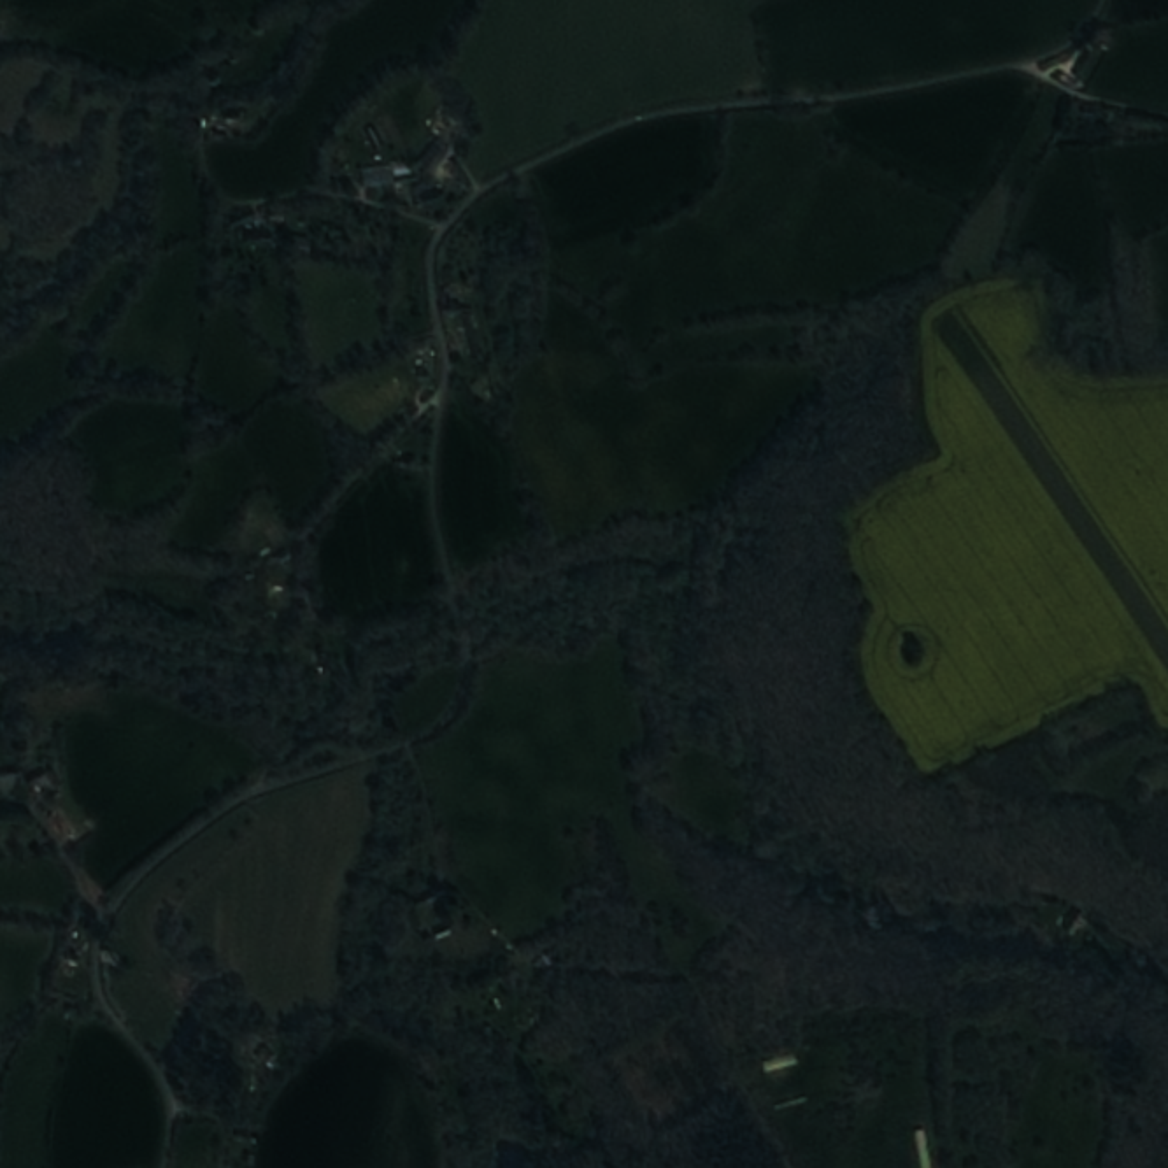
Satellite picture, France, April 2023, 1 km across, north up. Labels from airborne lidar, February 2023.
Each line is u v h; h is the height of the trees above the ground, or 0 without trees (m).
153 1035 0
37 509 20
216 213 17
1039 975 31
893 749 7
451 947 0
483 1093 14
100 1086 0
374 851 19
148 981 0
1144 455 0
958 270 0
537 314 11
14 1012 0
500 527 0
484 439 0
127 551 22
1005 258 10
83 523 16
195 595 0
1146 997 24
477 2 10
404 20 0
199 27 17
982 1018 19
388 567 0
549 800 0
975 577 0
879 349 21
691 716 7
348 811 0
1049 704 0
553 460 0
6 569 20
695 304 0
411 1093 0
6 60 12
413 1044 23
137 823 0
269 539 0
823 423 21
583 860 0
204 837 0
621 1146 23
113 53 0
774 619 19
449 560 0
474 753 0
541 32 0
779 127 0
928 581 0
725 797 0
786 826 23
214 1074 19
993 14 0
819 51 0
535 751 0
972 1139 7
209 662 24
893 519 0
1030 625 0
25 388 0
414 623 20
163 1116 0
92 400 10
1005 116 0
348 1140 0
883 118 0
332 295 0
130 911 0
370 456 16
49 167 19
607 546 17
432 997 21
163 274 0
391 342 13
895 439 19
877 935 24
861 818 14
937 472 0
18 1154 0
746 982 8
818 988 19
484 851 0
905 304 9
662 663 11
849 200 0
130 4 0
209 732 0
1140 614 0
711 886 21
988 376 0
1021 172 0
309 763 10
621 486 0
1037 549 0
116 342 0
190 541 0
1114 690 9
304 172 0
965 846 16
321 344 0
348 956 10
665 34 0
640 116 0
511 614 9
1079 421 0
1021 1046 11
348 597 0
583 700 0
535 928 0
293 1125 0
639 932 13
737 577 20
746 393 0
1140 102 0
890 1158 0
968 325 0
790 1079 0
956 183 0
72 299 12
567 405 0
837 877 26
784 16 0
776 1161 18
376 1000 23
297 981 0
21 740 15
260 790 0
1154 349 22
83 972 0
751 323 13
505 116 0
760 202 0
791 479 21
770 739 21
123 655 13
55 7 0
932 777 9
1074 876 19
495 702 0
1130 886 13
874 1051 0
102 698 0
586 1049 13
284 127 0
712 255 0
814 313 9
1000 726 0
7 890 0
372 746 6
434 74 19
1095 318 11
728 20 0
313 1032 21
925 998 21
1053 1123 0
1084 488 0
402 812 11
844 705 13
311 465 0
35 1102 0
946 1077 15
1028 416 0
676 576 13
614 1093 18
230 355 0
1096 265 0
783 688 16
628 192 0
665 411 0
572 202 0
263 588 0
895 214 0
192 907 0
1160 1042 19
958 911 21
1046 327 0
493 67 0
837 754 13
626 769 15
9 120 0
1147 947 16
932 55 0
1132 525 0
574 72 0
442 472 0
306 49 18
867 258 0
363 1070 0
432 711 0
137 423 0
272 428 0
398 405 0
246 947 0
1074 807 14
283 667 14
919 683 0
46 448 16
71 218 18
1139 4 0
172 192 0
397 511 0
